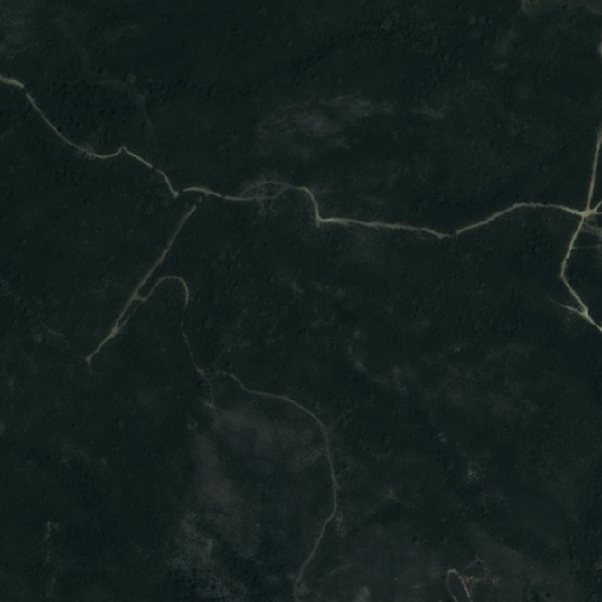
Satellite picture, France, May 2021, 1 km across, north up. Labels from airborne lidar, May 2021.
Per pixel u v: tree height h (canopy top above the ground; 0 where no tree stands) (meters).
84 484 9
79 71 7
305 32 8
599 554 11
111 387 6
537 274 7
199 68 6
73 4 6
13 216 6
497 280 5
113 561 6
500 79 8
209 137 5
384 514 6
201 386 16
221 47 6
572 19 7
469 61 5
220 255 12
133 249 6
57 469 10
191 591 15
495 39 8
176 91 11
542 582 0
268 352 6
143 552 9
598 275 6
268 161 8
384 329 6
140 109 10
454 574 0
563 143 8
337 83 7
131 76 16
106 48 8
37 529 6
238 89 7
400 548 0
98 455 6
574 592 0
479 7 6
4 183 15
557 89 6
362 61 8
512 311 8
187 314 9
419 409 8
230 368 10
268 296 13
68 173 7
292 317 7
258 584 13
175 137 5
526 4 0
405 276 7
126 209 5
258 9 8
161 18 6
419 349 7
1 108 9
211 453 0
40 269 8
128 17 6
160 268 5
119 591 7
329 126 0
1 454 6
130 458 7
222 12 6
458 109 6
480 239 6
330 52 8
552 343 6
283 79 10
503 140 6
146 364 6
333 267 7
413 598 0
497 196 10
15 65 6
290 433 0
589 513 8
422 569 0
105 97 7
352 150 6
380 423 6
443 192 6
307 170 5
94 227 7
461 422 5
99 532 10
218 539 11
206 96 7
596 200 6
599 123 8
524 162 6
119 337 8
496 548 0
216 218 7
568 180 7
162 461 6
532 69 7
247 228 6
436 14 6
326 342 6
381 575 0
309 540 0
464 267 6
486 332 7
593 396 7
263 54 5
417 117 6
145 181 6
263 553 9
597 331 5
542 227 6
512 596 0
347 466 13
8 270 6
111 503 12
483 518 7
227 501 0
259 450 0
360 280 6
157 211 6
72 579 7
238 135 7
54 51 6
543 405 9
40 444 5
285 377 6
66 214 7
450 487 6
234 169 6
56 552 7
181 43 6
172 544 6
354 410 6
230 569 7
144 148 5
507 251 6
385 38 8
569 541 11
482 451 6
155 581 8
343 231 7
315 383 7
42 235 5
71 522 8
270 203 13
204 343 8
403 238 6
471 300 6
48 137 6
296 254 7
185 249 11
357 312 6
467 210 7
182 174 6
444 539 12
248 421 0
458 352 6
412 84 6
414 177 8
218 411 0
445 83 9
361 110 0
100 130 12
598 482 6
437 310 10
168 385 8
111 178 8
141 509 6
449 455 5
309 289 6
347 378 5
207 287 6
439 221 6
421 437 8
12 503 6
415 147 6
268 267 7
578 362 7
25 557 6
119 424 12
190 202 7
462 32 5
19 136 9
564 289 6
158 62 6
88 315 9
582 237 6
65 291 6
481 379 6
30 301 7
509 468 7
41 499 6
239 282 9
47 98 7
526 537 7
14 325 7
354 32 7
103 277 10
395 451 5
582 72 6
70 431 6
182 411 6
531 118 7
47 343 10
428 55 7
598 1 0
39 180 7
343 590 0
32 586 6
